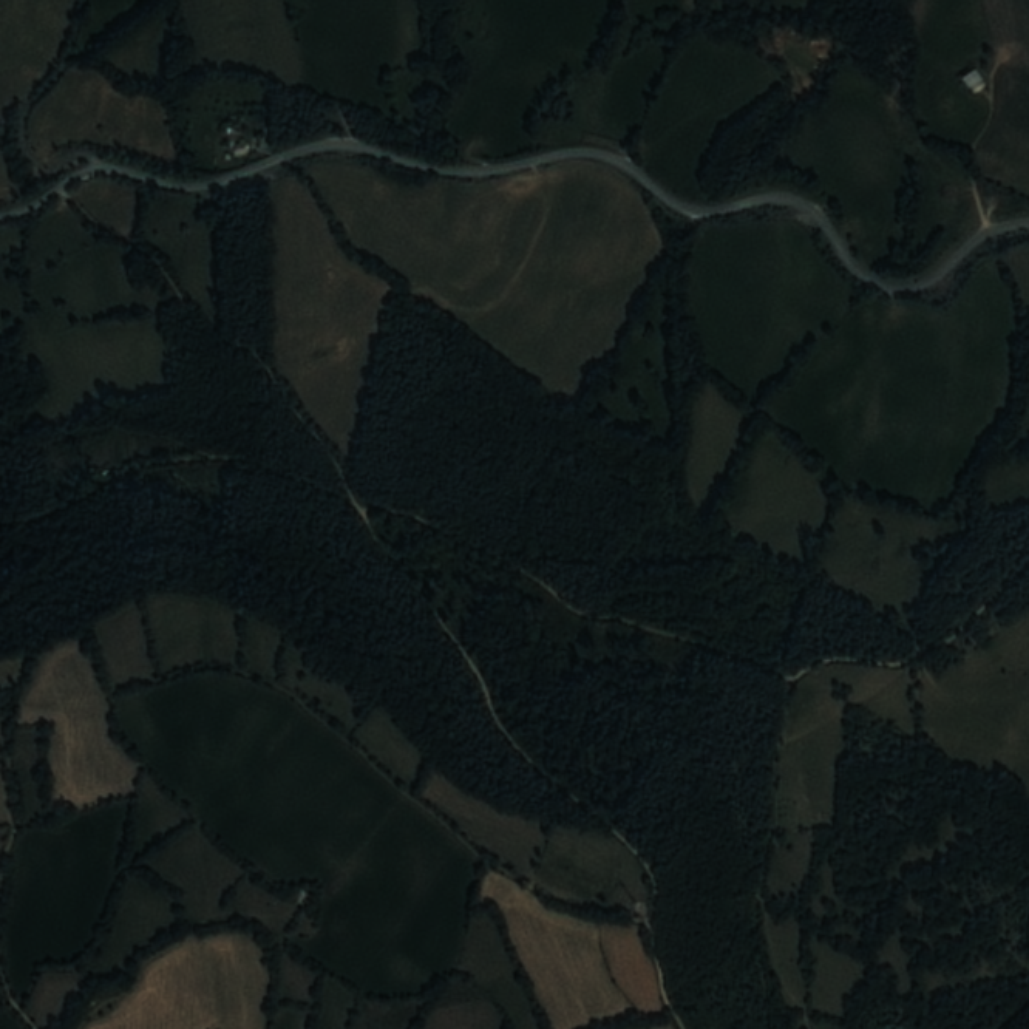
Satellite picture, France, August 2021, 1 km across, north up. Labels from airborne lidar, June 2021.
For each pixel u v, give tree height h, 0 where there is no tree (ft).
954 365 0
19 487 63
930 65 0
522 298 0
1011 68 0
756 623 36
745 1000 23
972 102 0
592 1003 0
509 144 0
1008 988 43
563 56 0
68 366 0
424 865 0
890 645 43
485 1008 0
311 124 59
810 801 0
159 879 37
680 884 33
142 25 72
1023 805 67
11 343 41
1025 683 0
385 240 0
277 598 54
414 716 62
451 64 67
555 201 0
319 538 79
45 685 0
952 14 0
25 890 0
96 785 0
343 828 0
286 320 0
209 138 0
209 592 47
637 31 31
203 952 0
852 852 42
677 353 55
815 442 0
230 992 0
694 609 46
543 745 43
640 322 52
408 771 0
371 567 60
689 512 52
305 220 0
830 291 0
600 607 71
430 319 57
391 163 38
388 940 0
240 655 22
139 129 0
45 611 31
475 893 43
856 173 0
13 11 0
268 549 71
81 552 44
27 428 64
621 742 44
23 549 39
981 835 46
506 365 60
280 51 0
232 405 50
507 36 0
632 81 0
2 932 27
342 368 0
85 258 0
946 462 0
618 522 67
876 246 0
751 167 59
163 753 0
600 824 43
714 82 0
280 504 75
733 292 0
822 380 0
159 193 64
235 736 0
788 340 0
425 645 68
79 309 0
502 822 0
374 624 55
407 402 58
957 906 38
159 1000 0
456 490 57
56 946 0
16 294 0
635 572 70
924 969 44
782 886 0
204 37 0
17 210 0
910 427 0
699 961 38
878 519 0
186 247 0
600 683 67
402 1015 0
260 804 0
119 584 28
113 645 0
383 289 0
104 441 0
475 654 43
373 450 56
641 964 0
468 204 0
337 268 0
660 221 45
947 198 0
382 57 0
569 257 0
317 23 0
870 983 45
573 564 73
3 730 23
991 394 0
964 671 0
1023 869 50
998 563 38
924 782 48
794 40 0
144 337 0
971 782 67
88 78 0
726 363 0
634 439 68
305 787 0
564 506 56
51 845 0
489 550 52
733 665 41
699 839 36
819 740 0
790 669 21
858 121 0
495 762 57
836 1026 31
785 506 0
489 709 52
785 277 0
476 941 0
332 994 0
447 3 77
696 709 41
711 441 0
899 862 37
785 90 54
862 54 72
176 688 0
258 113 20
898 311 0
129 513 27
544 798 42
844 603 52
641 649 70
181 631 0
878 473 0
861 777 57
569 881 0
